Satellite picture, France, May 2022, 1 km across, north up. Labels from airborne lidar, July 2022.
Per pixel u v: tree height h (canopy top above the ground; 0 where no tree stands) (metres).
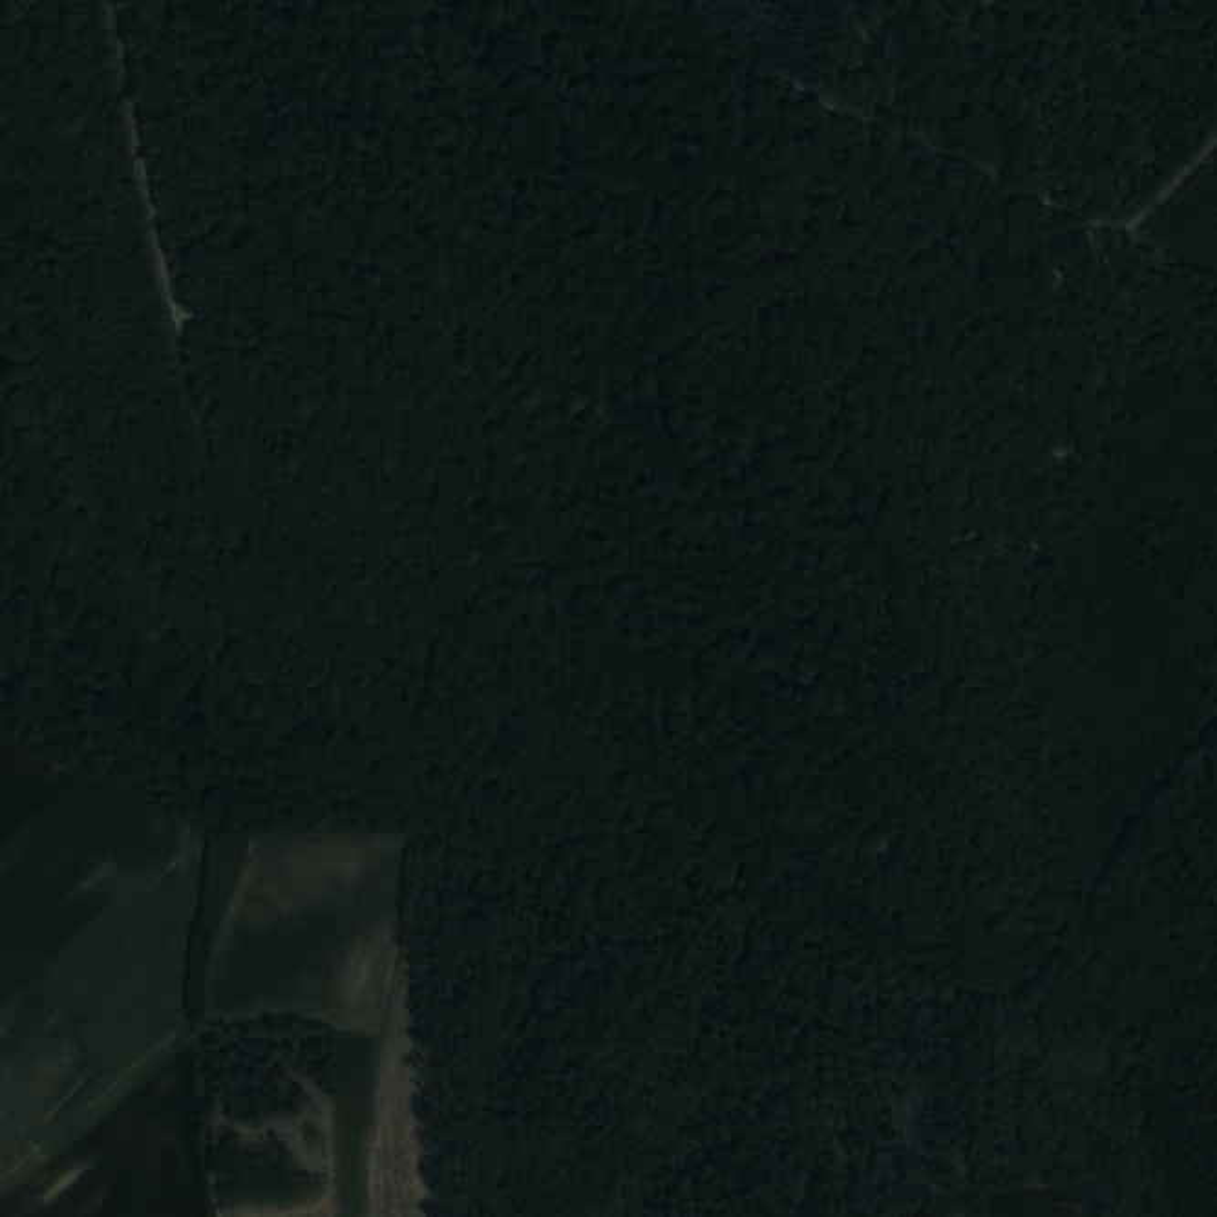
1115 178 25
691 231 23
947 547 21
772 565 26
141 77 24
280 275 18
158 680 31
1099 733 7
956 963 11
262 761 26
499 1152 26
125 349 19
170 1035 0
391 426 15
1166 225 6
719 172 27
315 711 24
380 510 20
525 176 22
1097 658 8
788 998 25
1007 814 18
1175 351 18
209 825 24
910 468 25
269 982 0
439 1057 24
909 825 21
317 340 20
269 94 16
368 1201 0
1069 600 8
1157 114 28
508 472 17
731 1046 11
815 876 24
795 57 23
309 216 20
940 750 23
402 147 21
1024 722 16
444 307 19
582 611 24
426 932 21
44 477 31
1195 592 10
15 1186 0
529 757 17
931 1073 28
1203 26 18
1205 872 22
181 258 21
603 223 27
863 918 25
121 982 0
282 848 0
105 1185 0
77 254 16
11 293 20
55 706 26
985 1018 26
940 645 25
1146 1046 22
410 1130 0
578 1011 27
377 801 21
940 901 22
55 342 22
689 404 26
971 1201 17
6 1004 0
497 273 20
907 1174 30
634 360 24
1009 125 26
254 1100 23
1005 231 24
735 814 23
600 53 23
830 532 25
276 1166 26
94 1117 0
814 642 24
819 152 29
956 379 21
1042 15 28
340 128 22
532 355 18
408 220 18
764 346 25
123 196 19
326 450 17
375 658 24
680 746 23
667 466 25
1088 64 26
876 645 25
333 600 17
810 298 24
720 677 26
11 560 31
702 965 22
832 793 21
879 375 27
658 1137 28
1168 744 11
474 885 21
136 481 21
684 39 25
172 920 0
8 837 0
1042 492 23
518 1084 27
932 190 28
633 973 23
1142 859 25
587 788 24
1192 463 9
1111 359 20
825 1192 28
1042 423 22
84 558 26
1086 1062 24
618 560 25
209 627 24
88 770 23
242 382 17
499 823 22
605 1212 29
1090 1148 20
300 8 25
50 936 0
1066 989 25
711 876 21
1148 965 19
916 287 20
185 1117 0
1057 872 18
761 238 25
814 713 24
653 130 24
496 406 20
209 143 25
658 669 26
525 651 23
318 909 0
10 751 0
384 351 18
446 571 20
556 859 26
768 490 22
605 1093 23
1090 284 26
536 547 18
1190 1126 19
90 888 0
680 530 26
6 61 25
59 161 20
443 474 15
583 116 27
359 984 0
